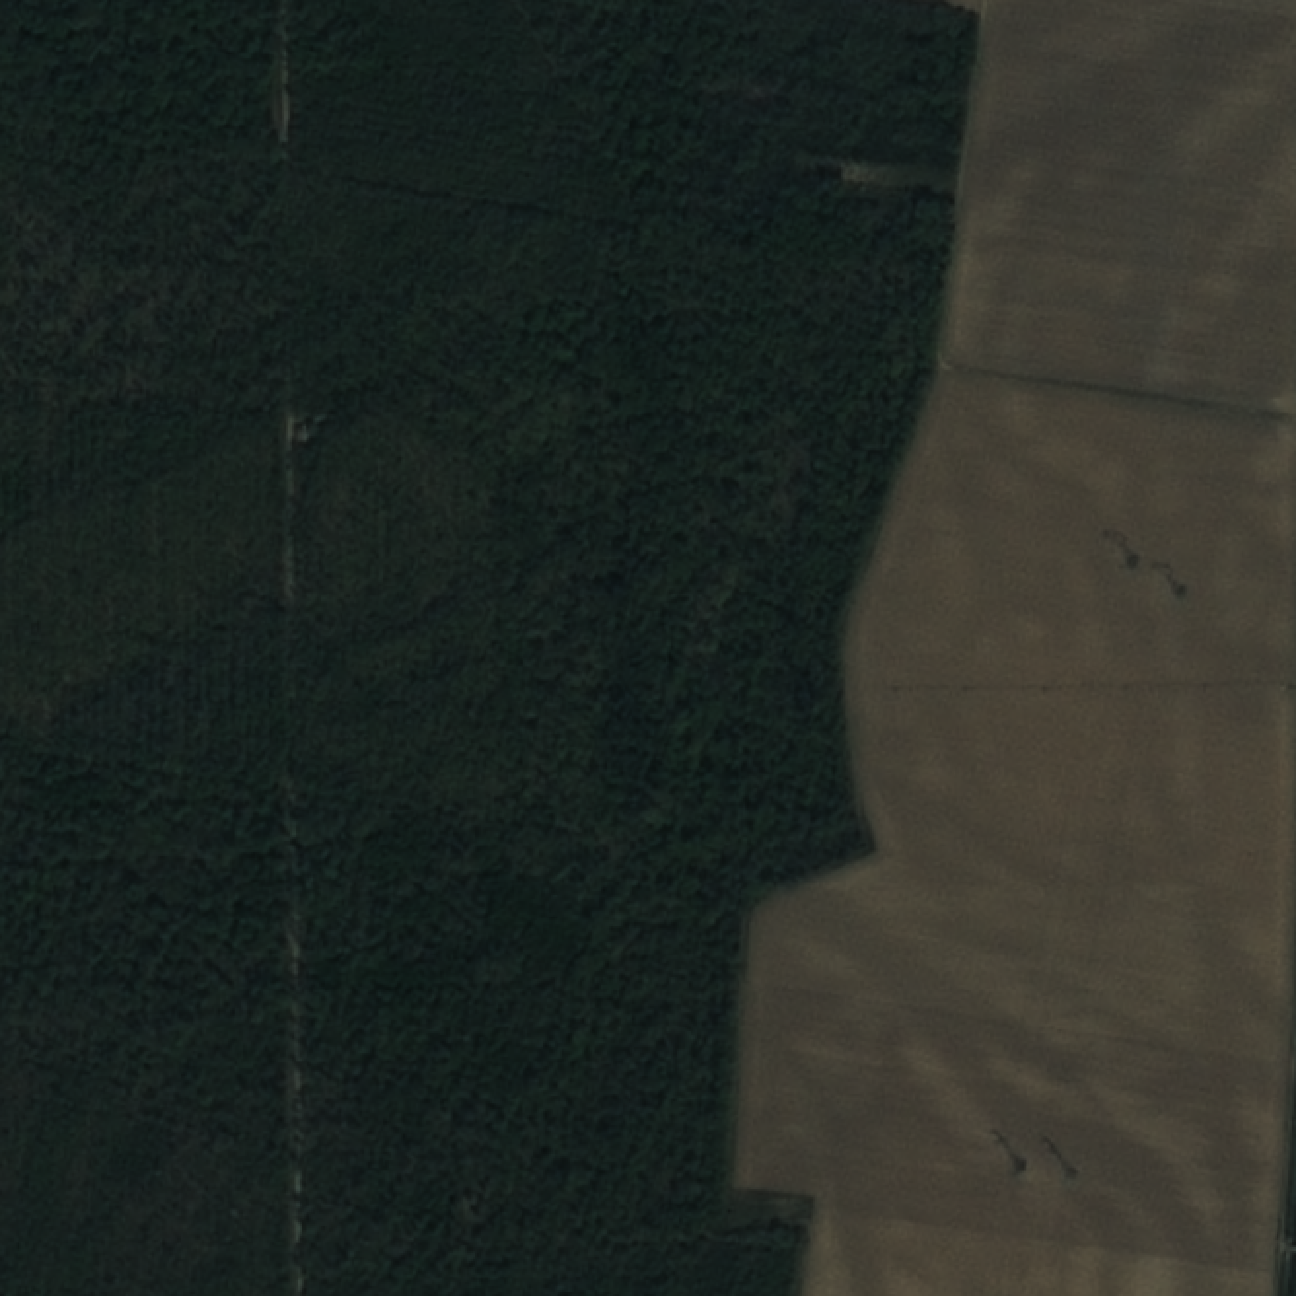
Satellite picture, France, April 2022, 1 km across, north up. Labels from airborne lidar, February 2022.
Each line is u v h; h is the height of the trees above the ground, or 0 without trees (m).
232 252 13
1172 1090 0
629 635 15
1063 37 0
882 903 0
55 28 20
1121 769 0
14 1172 10
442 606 16
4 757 15
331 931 10
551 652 16
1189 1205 0
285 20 20
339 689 19
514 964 25
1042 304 0
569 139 10
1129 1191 0
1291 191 0
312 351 17
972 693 0
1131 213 0
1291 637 0
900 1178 0
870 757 0
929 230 17
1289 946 0
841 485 14
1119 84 0
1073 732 0
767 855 17
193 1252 13
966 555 0
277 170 15
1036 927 0
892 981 0
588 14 10
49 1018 22
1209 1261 0
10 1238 10
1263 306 0
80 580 15
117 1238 10
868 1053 0
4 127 8
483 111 12
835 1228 0
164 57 21
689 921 10
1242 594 0
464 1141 14
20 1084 12
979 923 0
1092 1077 0
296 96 8
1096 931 0
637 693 18
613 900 16
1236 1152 0
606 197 8
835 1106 0
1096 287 0
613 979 15
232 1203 12
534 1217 10
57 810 20
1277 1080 0
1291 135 0
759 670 15
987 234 0
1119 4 0
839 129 11
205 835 10
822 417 9
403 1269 16
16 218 10
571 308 19
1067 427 0
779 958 0
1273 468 0
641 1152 14
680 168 12
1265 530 0
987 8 0
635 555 17
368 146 12
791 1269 9
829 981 0
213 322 16
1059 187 0
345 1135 15
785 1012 0
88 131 15
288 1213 12
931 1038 0
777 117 14
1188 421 0
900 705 0
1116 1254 0
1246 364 0
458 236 12
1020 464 0
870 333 12
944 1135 0
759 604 15
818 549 14
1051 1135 0
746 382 15
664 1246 12
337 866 23
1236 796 0
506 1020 16
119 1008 19
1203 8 0
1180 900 0
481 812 13
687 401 11
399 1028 21
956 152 11
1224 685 0
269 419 10
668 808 23
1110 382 0
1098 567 0
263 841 25
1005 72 0
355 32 17
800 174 15
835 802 14
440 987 19
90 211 9
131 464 18
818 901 0
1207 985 0
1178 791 0
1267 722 0
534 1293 11
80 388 12
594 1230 11
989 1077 0
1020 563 0
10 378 10
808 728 11
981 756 0
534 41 7
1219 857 0
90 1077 7
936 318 14
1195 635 0
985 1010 0
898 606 0
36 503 13
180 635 11
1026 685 0
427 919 18
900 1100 0
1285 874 0
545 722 12
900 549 0
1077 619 0
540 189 7
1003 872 0
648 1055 9
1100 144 0
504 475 10
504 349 16
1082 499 0
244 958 21
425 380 13
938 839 0
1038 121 0
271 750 11
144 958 19
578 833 19
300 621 13
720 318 9
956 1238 0
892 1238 0
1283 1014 0
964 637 0
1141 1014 0
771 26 15
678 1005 11
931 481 0
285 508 12
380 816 19
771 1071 0
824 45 17
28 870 23
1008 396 0
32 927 16
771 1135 0
